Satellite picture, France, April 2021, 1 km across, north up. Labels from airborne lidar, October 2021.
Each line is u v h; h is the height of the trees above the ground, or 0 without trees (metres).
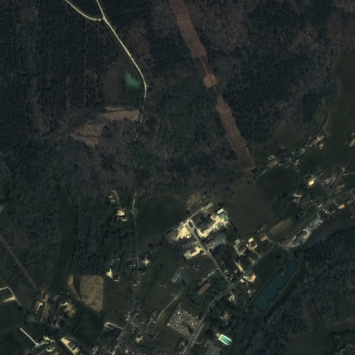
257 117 22
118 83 0
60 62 8
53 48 11
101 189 22
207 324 18
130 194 16
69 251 0
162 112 10
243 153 0
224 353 19
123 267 17
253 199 0
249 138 27
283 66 21
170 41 16
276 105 21
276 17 18
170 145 16
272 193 0
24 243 22
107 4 16
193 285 0
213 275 8
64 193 0
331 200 0
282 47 17
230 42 15
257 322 0
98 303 0
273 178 0
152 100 10
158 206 0
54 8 10
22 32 18
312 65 18
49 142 18
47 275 16
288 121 15
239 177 11
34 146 17
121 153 17
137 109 10
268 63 20
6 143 16
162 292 0
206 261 0
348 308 24
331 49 20
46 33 10
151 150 20
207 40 16
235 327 13
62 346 16
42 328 17
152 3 19
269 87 19
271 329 14
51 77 9
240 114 19
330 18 20
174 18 8
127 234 7
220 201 0
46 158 19
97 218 18
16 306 0
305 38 12
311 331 13
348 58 0
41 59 11
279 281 0
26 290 0
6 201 11
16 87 14
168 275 0
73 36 12
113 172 26
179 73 18
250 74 18
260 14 26
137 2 25
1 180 22
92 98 13
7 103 17
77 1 13
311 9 21
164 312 0
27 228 15
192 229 0
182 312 0
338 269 24
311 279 17
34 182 23
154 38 22
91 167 17
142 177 16
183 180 16
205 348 0
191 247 10
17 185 22
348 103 0
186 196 16
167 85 11
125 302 7
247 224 0
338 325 0
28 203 15
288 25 26
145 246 0
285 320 25
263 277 0
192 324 0
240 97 21
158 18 11
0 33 22
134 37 10
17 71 22
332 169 0
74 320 6
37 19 18
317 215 0
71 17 11
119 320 6
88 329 0
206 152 14
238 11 17
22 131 15
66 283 0
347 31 0
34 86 10
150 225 0
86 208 17
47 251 8
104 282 0
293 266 0
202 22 14
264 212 0
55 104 14
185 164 18
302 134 21
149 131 14
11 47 22
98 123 15
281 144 0
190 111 15
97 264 14
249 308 8
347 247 11
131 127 15
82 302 0
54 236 18
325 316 24
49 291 0
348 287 25
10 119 16
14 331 0
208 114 20
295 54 15
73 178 18
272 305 12
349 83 0
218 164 21
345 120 0
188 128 19
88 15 10
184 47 17
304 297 8
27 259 16
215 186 25
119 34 16
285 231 0
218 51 8
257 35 15
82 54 12
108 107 0
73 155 22
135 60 8
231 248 0
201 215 19
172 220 0
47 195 18
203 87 12
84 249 16
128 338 0
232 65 12
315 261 13
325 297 22
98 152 18
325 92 25
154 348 10
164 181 15
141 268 7
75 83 9
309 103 31
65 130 11
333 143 0
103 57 9
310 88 21
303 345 0
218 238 0
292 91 7
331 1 24
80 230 12
